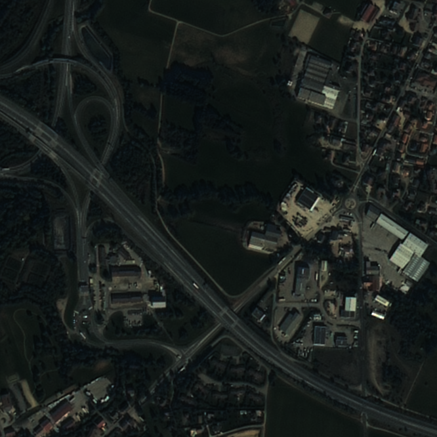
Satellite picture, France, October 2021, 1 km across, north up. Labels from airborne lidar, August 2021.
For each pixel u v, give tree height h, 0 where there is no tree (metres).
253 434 0
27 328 0
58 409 0
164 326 0
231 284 0
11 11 17
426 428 0
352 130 0
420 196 0
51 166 12
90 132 10
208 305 0
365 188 7
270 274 0
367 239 0
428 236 0
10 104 0
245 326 0
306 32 0
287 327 0
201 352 0
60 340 12
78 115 0
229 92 0
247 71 0
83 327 0
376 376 0
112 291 0
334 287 0
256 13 0
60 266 8
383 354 0
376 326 0
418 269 0
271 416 0
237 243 0
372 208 0
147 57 0
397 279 0
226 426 0
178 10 0
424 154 0
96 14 15
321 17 0
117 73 8
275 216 19
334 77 0
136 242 0
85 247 0
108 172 0
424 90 0
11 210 9
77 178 0
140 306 0
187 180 0
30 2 6
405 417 0
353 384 0
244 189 0
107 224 0
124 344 0
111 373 0
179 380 15
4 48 18
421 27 0
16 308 0
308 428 0
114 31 0
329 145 0
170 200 12
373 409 0
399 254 0
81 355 26
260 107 0
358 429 0
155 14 0
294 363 0
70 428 9
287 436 0
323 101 0
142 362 13
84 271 0
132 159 12
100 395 0
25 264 0
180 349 0
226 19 0
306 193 0
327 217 0
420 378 0
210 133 0
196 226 0
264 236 0
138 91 0
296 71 0
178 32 0
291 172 0
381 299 0
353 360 0
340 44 0
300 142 0
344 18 0
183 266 0
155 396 6
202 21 0
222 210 0
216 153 0
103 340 0
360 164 0
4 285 5
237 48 0
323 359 0
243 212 0
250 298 0
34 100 9
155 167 7
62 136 10
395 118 0
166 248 0
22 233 9
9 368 0
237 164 0
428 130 0
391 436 0
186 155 6
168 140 7
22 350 0
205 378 0
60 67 0
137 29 0
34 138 0
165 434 0
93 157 0
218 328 0
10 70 0
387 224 0
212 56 0
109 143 0
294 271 0
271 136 0
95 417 9
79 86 12
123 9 0
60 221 0
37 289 9
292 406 0
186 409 8
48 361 0
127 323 0
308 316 0
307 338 0
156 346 0
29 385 0
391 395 0
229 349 0
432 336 11
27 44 0
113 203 0
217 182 0
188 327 0
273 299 0
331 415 0
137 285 0
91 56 0
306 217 0
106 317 0
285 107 0
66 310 0
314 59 0
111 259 0
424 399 0
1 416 0
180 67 0
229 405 6
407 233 0
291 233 15
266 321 8
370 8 0
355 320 0
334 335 0
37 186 6
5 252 9
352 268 18
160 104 0
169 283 9
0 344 0
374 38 0
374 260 0
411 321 13
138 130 11
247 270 0
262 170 0
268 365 9
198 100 26
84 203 0
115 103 0
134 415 0
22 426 0
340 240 0
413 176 0
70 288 0
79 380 0
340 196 7
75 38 0
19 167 0
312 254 9
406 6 0
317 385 0
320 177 0
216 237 0
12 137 7
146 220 0
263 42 0
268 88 0
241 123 0
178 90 24
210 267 0
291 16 0
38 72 9
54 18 0
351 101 0
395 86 7
